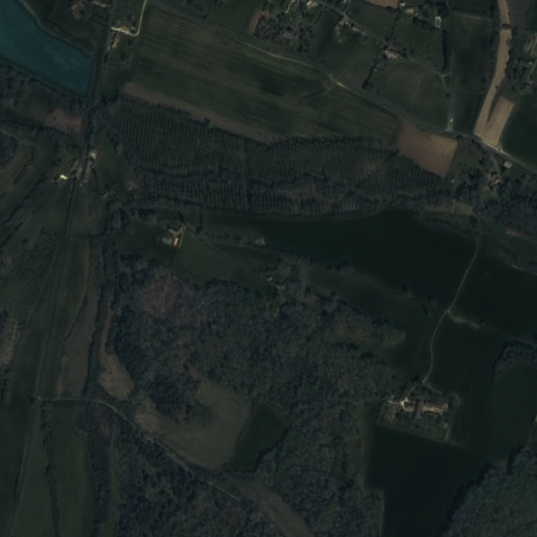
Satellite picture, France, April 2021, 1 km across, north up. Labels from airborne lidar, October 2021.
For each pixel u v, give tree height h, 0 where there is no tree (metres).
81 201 0
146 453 9
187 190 28
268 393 6
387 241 0
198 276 0
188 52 0
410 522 0
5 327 16
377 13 0
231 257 0
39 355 0
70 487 0
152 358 15
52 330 0
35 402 12
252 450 0
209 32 0
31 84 14
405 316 0
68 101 10
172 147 21
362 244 0
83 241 0
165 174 17
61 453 0
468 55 0
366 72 0
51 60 0
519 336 0
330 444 7
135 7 7
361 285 0
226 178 21
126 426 10
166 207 11
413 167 20
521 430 0
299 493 18
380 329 21
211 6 0
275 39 10
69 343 0
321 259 0
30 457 0
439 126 0
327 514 24
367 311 0
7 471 0
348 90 0
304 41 9
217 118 12
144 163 21
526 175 8
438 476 0
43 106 0
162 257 0
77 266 0
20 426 0
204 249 0
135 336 10
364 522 25
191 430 0
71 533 0
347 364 24
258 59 0
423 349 0
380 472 0
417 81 0
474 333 0
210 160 22
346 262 0
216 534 18
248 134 11
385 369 26
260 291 0
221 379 16
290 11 7
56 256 0
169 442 0
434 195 23
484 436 0
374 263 0
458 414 0
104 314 10
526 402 0
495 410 0
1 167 12
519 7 0
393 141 0
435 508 0
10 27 0
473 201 25
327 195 19
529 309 0
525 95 0
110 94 0
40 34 0
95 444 12
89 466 0
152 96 13
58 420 0
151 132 22
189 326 11
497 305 0
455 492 0
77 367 0
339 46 0
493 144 0
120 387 0
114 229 13
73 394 0
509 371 0
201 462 0
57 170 8
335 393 13
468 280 0
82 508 0
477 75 0
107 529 0
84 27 0
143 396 18
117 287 13
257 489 0
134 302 19
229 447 0
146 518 20
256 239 0
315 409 12
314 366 13
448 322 0
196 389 11
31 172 0
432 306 13
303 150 21
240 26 0
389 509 0
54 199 0
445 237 0
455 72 0
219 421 0
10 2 0
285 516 0
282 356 25
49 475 12
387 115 0
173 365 18
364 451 0
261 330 25
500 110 0
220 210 13
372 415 0
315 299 22
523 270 0
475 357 0
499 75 0
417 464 0
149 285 21
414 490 0
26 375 0
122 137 24
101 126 22
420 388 8
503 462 0
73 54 0
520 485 26
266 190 24
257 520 19
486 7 0
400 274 0
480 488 13
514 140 0
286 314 22
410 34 0
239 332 27
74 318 0
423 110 0
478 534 28
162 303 0
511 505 26
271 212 25
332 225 0
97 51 0
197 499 21
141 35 0
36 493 0
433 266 0
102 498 6
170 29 0
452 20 0
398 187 20
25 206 8
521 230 21
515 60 8
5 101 21
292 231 0
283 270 0
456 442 0
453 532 23
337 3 12
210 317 18
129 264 14
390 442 0
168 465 8
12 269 0
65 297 0
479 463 0
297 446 20
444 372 0
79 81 0
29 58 0
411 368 0
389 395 8
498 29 12
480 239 14
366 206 20
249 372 19
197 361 20
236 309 25
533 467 23
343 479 0
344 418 20
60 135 19
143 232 0
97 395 6
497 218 11
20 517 0
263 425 0
